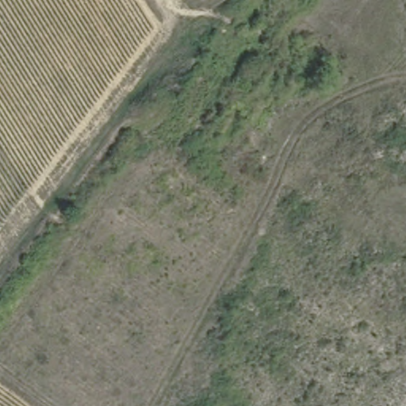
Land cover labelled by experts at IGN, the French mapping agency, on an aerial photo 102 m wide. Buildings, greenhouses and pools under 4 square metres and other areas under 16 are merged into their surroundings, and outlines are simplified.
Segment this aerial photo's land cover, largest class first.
<instances>
[{"label":"herbaceous vegetation","instance_id":"1","mask_svg":"<svg viewBox=\"0 0 406 406\"><path fill-rule=\"evenodd\" d=\"M225 0H181L182 8L214 11ZM293 30H308L309 36H316L317 48L327 49L333 59L346 60L347 68L343 71L346 79L339 94L331 95L328 100H306V97H297L289 101L284 108L276 109V113L268 117L266 130L251 132L249 141L252 146L257 147V144H260L262 151L265 152L262 154V167L266 173V181H255L251 186L244 187L243 197H239L236 206L230 208L213 189L205 186V182L197 181V178L187 171L186 163L178 162L176 157L167 151L149 152L146 159L141 162H133L130 167H125L116 174H108L105 176L106 187H98L92 192L89 201L94 203V208L90 211V219L82 224H71L68 241L63 244L59 257L49 265L48 270L44 271L40 278L36 279L32 289L25 295L24 300L17 304L14 316L8 320V324L0 333V382L32 406H187L203 396V389L211 384V374L219 370L217 352L224 349V339L228 338V331L224 327L225 312L236 309L238 303L246 301L249 292L259 295L265 287H279V298H284L287 292H292L303 304L300 317L290 324V331L300 335V341L293 344V349L306 347V350H301L298 358L289 363L295 370V376L285 384L271 381L270 373L265 371V368H259V377H252L251 366H239L233 379H236V389L241 390L243 396L251 393L252 401L249 406H406V0H322L316 13L295 21Z\"/></svg>","mask_w":406,"mask_h":406},{"label":"brushwood","instance_id":"2","mask_svg":"<svg viewBox=\"0 0 406 406\"><path fill-rule=\"evenodd\" d=\"M322 0H225L214 11L211 17L179 14L170 38L149 60L140 84L122 100L116 111L109 114L108 122L101 125L97 135L90 140L86 152L78 157L75 167L71 168L67 178L57 187L51 200L44 203L40 214L33 217L19 235L6 243L8 252H3L0 260V333L8 324V320L14 316L17 304L24 300L25 295L32 289L36 279L40 278L44 271L48 270L49 265L59 257L63 244L68 241L71 224H82L90 219V211L94 208V203L89 201L92 192L98 187H106L105 176L108 174H116L125 167H130L133 162H141L146 159L149 152L167 151L176 157L178 162L186 163L187 171L197 178V181L205 182V186L213 189L230 208L236 206L239 197H243L244 187L251 186L255 181H266V173L262 167V154L265 152L262 151L260 144H257V147L252 146L249 141L251 132L266 130L268 117L276 113V109L284 108L289 101L297 97H306V100H328L331 95L339 94L346 79L343 71L347 68L346 60L333 59L327 49L317 48L316 36H309L308 30H293L295 21L316 13ZM279 287H265L259 295L249 292L246 301L238 303L236 309L225 312L224 327L228 331V338L224 339V349L217 352L219 370L211 374V384L203 389V396L187 406H249L252 401L251 393L243 396L241 390L236 389V379H233L239 366H251L252 377H259V368H265V371L270 373L271 381L285 384L295 376V370L289 363L298 358L301 350H306V347L293 349V344L300 341V335L290 331V324L300 317L303 304L292 292H287L284 298H279Z\"/></svg>","mask_w":406,"mask_h":406},{"label":"vineyard","instance_id":"3","mask_svg":"<svg viewBox=\"0 0 406 406\"><path fill-rule=\"evenodd\" d=\"M214 11L182 8L181 0H0V260L3 252H8L6 243L19 235L33 217L40 214L44 203L51 200L57 187L67 178L71 168L75 167L78 157L86 152L90 140L97 135L101 125L108 122L109 114L116 111L122 100L140 84L149 60L170 38L179 14L211 17ZM0 406H32L0 382Z\"/></svg>","mask_w":406,"mask_h":406}]
</instances>
